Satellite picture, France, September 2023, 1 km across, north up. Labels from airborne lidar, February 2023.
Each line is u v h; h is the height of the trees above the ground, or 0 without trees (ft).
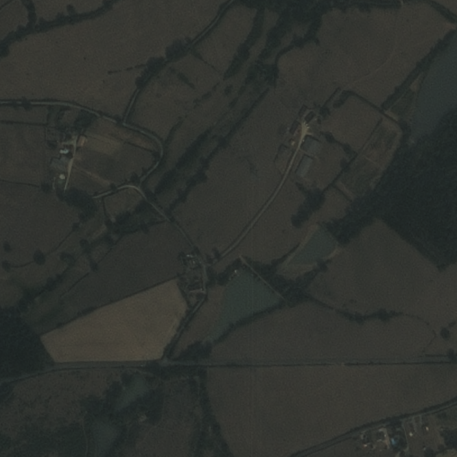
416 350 0
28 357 55
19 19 0
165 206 0
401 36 0
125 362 0
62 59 0
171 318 0
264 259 0
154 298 0
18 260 0
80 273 0
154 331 0
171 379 0
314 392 0
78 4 0
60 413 0
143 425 0
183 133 0
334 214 0
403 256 0
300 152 0
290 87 0
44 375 0
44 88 0
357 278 0
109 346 0
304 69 0
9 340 35
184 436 0
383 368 0
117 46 0
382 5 30
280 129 0
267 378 0
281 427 0
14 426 0
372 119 0
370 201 65
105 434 0
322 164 0
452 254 65
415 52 0
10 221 0
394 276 0
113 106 0
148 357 0
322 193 23
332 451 0
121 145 0
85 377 0
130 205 0
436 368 0
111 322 0
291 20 20
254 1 65
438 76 0
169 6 0
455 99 0
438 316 0
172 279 0
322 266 62
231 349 0
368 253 0
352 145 0
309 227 0
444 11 28
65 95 0
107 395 42
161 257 0
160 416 0
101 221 0
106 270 0
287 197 0
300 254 0
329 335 0
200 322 0
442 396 0
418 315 0
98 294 0
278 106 0
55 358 0
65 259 36
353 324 0
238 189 0
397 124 0
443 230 65
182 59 0
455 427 0
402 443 42
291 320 0
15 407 0
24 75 0
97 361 0
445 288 0
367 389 0
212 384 0
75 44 0
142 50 0
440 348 0
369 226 0
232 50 0
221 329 0
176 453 0
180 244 0
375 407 0
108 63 0
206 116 0
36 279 0
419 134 0
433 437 0
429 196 72
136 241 0
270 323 0
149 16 0
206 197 0
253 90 0
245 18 0
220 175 0
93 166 0
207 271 38
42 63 0
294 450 0
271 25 0
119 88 0
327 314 0
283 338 0
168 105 0
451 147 73
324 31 0
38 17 0
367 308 0
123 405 0
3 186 0
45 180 0
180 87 0
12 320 70
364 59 0
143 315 0
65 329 0
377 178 0
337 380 0
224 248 0
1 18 0
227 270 18
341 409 0
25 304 35
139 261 0
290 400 0
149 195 48
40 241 0
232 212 0
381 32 0
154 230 0
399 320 0
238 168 0
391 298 0
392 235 0
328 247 0
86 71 0
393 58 0
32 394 0
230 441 0
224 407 0
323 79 0
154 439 0
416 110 0
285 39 0
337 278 0
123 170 0
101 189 0
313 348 0
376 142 0
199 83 0
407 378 0
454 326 0
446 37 28
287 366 0
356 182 0
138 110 0
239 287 0
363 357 0
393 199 66
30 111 0
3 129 0
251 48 0
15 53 0
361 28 0
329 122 0
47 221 0
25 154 0
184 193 25
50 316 0
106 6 45
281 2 72
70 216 0
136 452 0
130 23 0
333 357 0
